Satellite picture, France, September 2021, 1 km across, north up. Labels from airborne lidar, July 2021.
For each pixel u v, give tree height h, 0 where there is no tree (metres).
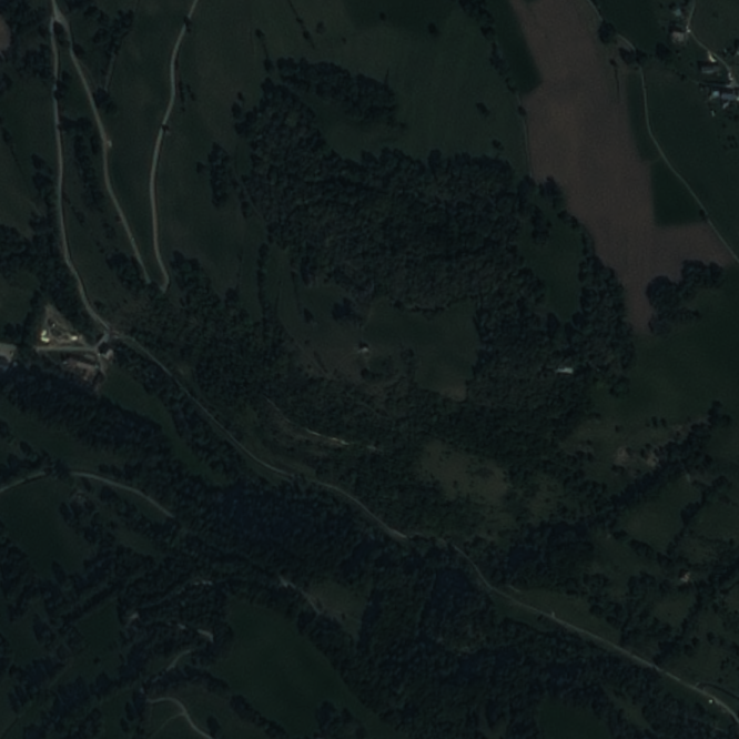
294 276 8
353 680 28
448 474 0
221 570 20
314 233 8
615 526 16
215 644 8
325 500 22
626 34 0
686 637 14
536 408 7
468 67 0
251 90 0
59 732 15
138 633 16
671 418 0
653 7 0
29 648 0
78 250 0
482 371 11
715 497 19
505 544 0
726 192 0
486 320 10
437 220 10
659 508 0
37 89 0
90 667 0
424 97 0
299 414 9
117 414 24
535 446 22
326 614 6
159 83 0
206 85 0
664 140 0
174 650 14
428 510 17
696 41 0
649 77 0
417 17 0
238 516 22
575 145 0
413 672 33
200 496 36
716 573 9
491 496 0
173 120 0
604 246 0
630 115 0
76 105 0
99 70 0
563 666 8
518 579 31
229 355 13
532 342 15
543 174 0
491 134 0
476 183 11
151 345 17
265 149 12
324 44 0
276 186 13
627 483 0
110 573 15
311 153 11
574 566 21
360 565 24
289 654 0
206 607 10
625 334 18
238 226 0
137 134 0
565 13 0
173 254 0
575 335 18
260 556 21
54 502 0
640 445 0
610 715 21
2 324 0
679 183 0
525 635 12
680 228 0
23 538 0
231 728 0
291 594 8
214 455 19
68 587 17
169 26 0
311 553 24
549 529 13
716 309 0
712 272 8
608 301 10
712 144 0
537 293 20
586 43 0
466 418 10
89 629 0
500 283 10
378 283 12
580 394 16
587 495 21
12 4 20
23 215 0
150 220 0
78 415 30
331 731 23
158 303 13
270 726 7
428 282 8
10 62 16
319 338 0
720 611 10
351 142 0
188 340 9
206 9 0
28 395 27
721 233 0
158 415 0
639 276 0
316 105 0
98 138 14
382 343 0
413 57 0
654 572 0
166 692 18
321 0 0
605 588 18
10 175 0
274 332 7
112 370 0
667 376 0
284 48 0
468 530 7
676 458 26
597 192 0
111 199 0
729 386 0
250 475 15
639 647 0
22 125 0
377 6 0
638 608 18
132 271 17
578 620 0
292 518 29
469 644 15
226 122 0
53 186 11
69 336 0
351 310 18
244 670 0
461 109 0
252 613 0
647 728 0
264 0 0
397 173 13
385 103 18
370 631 18
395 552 16
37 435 0
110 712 0
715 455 0
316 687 0
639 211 0
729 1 0
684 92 0
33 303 8
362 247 11
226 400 10
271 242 9
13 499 0
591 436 0
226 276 0
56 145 0
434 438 18
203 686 20
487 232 21
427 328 0
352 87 17
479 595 28
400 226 7
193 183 0
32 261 20
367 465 19
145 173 0
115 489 0
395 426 10
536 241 9
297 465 0
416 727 21
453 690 34
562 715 0
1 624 0
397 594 23
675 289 15
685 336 0
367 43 0
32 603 14
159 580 15
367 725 0
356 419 7
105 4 0
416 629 29
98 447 23
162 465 24
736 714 0
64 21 0
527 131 0
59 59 0
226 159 12
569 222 10
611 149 0
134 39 0
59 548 0
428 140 0
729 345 0
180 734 0
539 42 0
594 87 0
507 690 30
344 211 12
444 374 0
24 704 20
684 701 0
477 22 16
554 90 0
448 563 23
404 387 9
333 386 8
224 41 0
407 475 7
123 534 0
